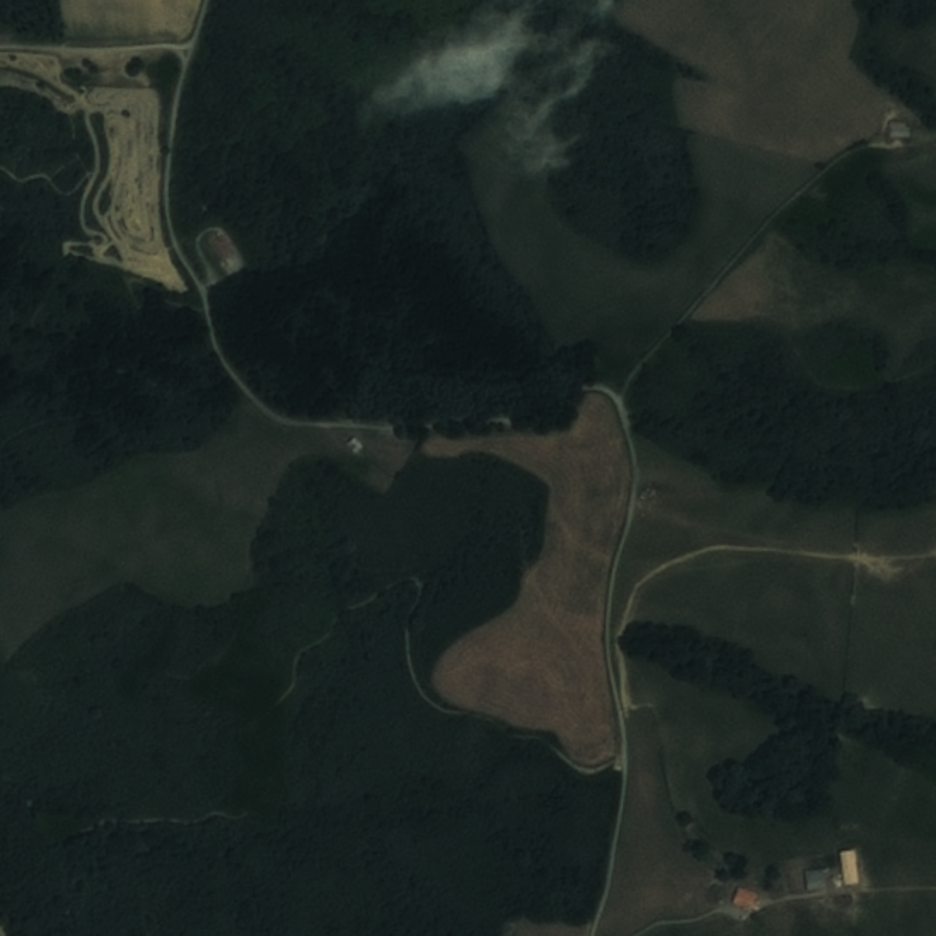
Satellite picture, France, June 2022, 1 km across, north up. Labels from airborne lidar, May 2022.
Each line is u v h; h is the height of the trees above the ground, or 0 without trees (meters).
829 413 9
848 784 0
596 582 0
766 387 12
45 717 7
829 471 9
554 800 8
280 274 20
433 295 17
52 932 9
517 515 6
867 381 0
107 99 0
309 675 6
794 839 0
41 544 0
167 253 0
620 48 7
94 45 0
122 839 21
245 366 6
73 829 0
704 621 0
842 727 15
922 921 0
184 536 0
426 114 9
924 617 0
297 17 8
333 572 14
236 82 11
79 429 9
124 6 0
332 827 7
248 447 0
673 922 0
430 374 15
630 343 0
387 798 6
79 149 9
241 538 0
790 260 0
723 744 0
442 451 0
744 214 0
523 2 9
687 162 7
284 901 6
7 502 6
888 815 0
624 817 0
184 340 15
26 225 10
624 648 13
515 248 0
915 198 0
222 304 17
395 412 18
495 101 6
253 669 0
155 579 0
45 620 0
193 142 8
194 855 13
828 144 0
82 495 0
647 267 0
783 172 0
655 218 9
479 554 11
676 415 8
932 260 10
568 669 0
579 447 0
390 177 15
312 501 9
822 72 0
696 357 12
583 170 13
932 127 12
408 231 15
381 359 15
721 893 0
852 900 0
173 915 8
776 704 27
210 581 0
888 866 0
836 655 0
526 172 0
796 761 19
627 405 0
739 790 20
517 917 8
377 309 11
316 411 10
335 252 21
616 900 0
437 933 10
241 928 7
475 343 17
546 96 10
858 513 0
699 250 0
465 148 0
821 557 0
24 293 10
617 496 0
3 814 8
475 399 22
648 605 0
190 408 9
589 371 19
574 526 0
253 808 0
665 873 0
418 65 7
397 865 7
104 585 0
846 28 0
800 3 0
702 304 0
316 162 11
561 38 12
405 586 9
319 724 14
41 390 16
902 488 11
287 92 10
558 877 6
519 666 0
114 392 16
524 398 21
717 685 18
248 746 0
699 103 0
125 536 0
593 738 0
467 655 0
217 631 7
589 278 0
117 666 10
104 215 0
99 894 8
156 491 0
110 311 8
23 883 9
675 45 0
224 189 11
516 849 6
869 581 0
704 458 10
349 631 7
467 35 11
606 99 8
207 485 0
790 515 0
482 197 0
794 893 0
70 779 6
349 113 12
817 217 0
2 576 0
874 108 0
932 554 0
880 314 0
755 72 0
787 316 0
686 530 0
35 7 17
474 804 8
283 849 7
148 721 0
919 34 0
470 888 0
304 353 12
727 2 0
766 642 0
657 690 0
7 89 6
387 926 9
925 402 11
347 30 5
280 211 7
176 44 0
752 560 0
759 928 0
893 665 0
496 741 6
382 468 0
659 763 0
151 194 0
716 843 0
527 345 10
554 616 0
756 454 9
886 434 6
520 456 0
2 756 7
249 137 7
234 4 8
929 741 6
